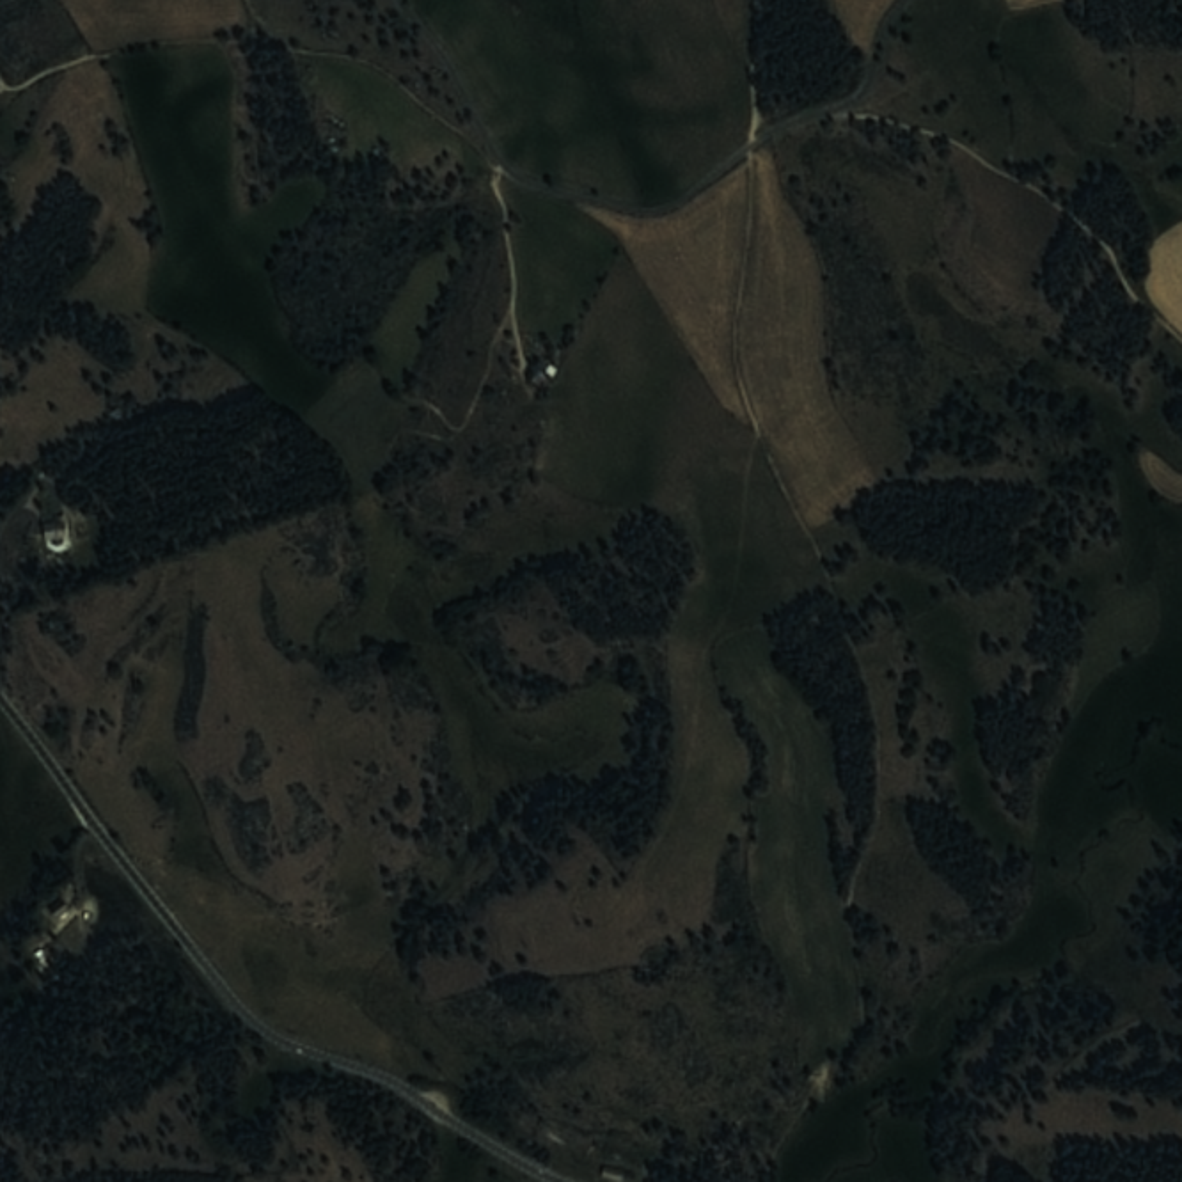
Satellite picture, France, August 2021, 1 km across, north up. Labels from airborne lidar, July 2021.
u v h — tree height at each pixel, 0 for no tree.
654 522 17
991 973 0
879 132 11
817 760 0
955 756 15
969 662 0
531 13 0
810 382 0
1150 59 0
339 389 0
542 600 0
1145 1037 14
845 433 0
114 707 0
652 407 0
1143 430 0
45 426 0
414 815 0
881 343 0
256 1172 13
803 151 0
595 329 0
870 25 0
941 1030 0
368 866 0
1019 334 0
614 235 0
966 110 0
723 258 0
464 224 13
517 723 0
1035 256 0
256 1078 0
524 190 0
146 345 0
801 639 14
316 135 18
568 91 0
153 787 13
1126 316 17
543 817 19
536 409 0
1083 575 0
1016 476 0
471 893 0
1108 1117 0
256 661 0
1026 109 0
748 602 0
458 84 0
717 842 0
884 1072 0
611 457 0
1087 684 0
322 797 0
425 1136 10
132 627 0
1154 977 0
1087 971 0
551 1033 0
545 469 0
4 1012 20
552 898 0
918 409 0
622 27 0
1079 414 8
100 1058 9
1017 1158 0
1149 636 0
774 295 0
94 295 0
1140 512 0
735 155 0
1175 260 0
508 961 0
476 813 0
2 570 0
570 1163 0
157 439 20
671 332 0
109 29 0
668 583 15
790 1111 0
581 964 0
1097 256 18
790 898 0
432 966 0
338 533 0
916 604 0
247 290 0
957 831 26
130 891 0
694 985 0
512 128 0
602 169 0
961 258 0
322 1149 0
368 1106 12
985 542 13
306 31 0
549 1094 0
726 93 0
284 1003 0
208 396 0
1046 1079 13
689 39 0
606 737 0
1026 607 0
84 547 0
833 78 13
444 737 0
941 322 0
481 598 12
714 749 0
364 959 0
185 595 0
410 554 0
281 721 0
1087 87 0
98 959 18
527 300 0
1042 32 0
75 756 0
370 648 16
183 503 19
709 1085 0
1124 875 0
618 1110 0
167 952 0
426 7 0
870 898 0
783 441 0
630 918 0
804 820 0
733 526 0
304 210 0
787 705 0
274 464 12
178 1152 12
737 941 14
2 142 0
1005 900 7
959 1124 18
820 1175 0
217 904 0
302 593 0
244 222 0
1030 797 0
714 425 0
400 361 0
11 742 0
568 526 0
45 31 0
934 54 0
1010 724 20
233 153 0
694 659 0
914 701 6
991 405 0
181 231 0
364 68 0
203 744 0
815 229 11
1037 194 0
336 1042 0
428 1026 0
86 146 0
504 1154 0
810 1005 0
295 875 0
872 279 0
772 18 17
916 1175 0
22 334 13
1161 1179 22
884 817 0
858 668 15
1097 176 16
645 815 15
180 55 0
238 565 0
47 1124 13
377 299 6
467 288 0
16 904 0
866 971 0
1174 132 10
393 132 0
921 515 20
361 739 0
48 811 0
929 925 0
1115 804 0
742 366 0
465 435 0
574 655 0
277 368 0
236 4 0
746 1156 18
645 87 0
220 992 0
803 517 0
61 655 0
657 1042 0
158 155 0
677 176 0
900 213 0
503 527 0
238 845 0
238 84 0
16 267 18
